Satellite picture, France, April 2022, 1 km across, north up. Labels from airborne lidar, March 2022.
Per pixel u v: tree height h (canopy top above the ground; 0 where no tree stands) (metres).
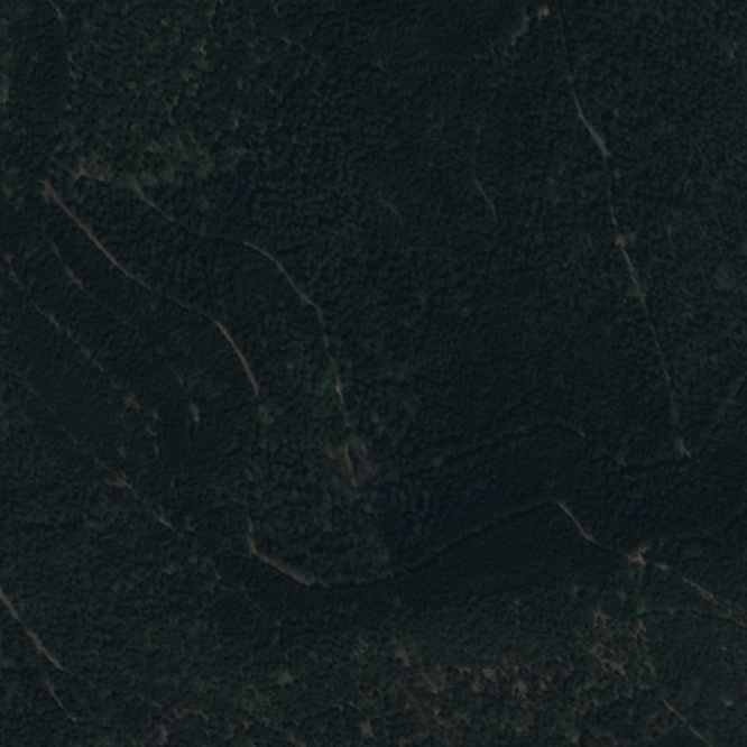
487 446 24
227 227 36
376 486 22
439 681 25
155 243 29
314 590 6
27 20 20
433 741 20
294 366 33
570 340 18
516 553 16
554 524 24
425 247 33
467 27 17
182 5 24
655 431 21
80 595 23
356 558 29
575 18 35
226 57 13
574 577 21
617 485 22
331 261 32
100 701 25
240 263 24
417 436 28
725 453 15
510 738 25
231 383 16
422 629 23
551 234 26
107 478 13
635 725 21
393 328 17
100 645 13
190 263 28
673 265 23
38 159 23
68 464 8
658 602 20
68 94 20
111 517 6
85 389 7
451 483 24
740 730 19
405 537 7
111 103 29
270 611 12
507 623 24
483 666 17
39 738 25
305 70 14
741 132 23
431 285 26
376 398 33
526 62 17
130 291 15
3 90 14
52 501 22
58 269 12
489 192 20
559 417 19
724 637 17
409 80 26
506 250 21
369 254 21
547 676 24
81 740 25
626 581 26
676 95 25
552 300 24
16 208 10
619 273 23
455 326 27
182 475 17
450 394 31
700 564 18
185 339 18
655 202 18
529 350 20
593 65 30
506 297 22
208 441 18
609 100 30
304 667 25
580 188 28
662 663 22
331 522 27
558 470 15
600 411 26
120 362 19
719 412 20
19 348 8
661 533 24
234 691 16
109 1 24
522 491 19
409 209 35
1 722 23
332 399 13
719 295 7
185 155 23
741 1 25
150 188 21
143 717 19
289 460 30
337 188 30
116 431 8
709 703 23
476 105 24
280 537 25
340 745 21
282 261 15
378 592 17
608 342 21
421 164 33
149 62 25
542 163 26
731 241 20
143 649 16
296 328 22
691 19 28
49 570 20
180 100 14
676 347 21
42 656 19
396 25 17
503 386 21
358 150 36
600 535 24
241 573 19
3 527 12
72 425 8
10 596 18
